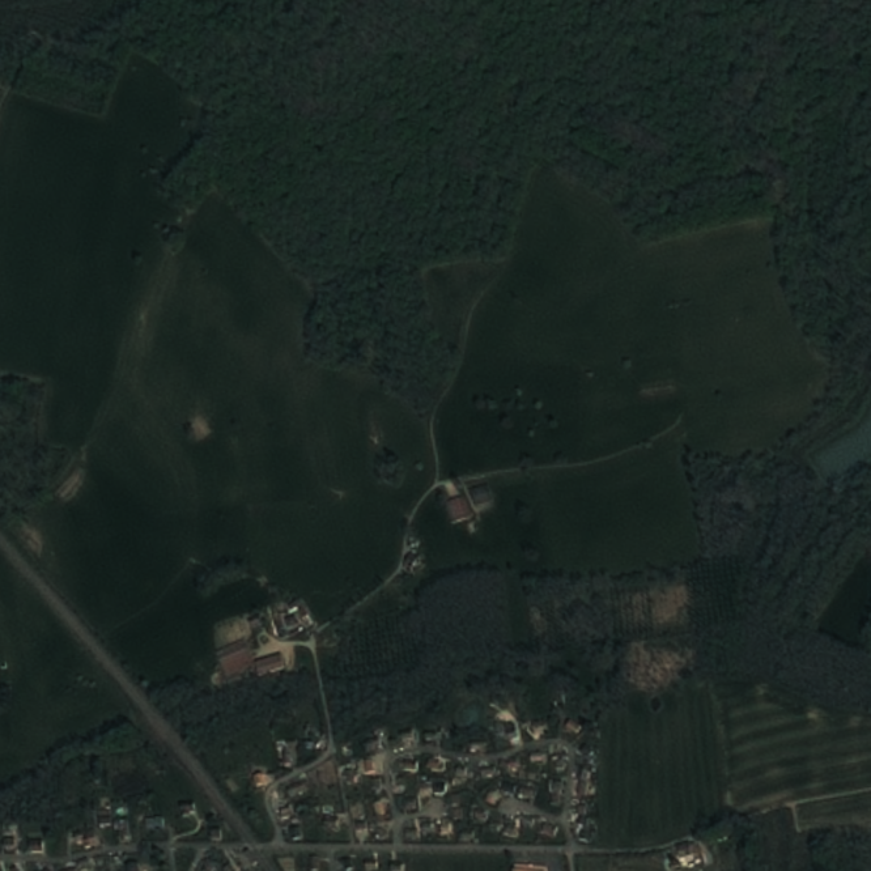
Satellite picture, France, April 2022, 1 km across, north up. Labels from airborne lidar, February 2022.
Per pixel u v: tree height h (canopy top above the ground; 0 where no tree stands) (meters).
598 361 0
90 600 0
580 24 21
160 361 0
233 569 26
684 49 25
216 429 0
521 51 25
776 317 0
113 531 0
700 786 0
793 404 0
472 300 0
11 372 0
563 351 0
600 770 0
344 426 0
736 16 24
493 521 0
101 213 0
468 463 0
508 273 0
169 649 0
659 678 0
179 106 0
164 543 0
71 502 0
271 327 0
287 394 0
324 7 27
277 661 0
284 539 0
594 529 0
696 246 0
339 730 16
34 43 23
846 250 29
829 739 0
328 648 0
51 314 0
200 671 0
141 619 0
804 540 28
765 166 31
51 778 21
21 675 0
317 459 0
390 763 0
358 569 0
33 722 0
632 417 0
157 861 18
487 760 0
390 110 28
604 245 0
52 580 0
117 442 0
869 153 24
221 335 0
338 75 26
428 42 30
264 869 0
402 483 22
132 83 0
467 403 0
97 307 0
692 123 26
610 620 23
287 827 0
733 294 0
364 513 0
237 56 25
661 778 0
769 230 0
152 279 0
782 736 0
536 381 0
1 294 0
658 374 0
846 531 23
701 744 0
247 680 9
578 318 0
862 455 0
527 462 18
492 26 20
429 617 23
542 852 0
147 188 0
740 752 0
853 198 24
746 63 23
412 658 0
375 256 24
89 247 0
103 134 0
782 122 31
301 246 25
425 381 29
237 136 26
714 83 25
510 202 24
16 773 0
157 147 0
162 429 0
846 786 0
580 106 25
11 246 0
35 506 22
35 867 0
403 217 25
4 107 0
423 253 27
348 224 26
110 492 0
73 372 0
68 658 0
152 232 0
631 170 30
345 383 0
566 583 25
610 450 0
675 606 0
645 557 0
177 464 0
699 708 0
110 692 0
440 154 24
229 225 0
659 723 0
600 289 0
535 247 0
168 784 0
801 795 0
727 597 0
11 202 0
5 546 0
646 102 24
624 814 0
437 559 0
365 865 0
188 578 0
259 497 0
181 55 28
